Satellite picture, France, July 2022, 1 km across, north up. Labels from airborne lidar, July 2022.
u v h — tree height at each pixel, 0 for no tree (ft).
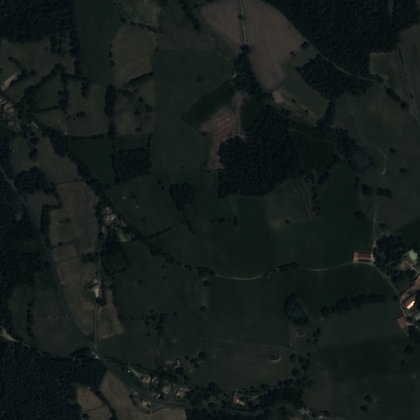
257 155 78
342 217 0
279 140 83
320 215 41
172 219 0
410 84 0
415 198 0
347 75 26
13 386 98
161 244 0
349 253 0
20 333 0
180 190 54
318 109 0
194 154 0
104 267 34
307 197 0
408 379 0
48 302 0
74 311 0
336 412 0
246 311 0
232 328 0
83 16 0
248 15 0
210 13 0
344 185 0
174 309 0
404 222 0
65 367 63
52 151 0
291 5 80
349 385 0
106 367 48
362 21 49
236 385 0
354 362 0
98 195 65
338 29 62
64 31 88
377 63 0
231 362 0
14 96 0
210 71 0
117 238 42
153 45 0
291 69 0
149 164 52
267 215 0
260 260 0
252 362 0
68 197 0
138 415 0
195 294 0
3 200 94
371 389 0
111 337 0
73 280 0
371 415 0
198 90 0
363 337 0
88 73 0
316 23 60
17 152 0
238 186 59
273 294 0
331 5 65
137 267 0
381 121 0
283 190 0
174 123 0
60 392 106
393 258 75
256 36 0
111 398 0
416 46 0
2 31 70
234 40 0
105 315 0
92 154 0
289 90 0
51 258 0
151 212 0
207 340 0
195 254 0
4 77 0
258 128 40
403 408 0
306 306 0
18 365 19
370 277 0
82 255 0
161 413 0
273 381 0
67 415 107
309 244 0
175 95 0
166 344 0
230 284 0
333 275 0
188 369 0
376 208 0
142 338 0
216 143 0
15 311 0
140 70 0
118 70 0
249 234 0
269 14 0
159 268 0
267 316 0
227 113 0
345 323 0
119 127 0
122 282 0
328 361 0
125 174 64
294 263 31
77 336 0
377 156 0
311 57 0
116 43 0
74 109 0
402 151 0
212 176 0
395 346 0
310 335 0
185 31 0
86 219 0
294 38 0
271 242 0
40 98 0
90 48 0
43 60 0
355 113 0
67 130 0
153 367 0
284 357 0
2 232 81
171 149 0
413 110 0
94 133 0
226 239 0
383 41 59
